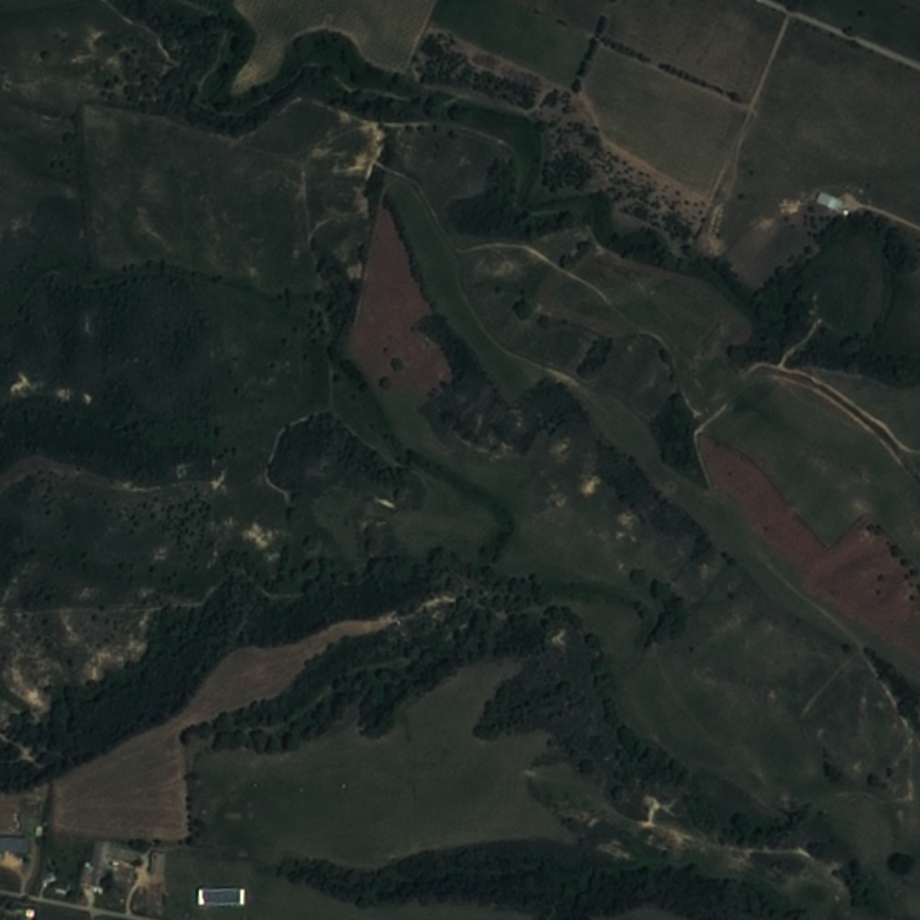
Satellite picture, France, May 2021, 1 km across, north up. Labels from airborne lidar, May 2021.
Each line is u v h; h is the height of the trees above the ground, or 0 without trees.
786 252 0
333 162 0
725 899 16
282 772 0
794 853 0
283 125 0
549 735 0
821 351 6
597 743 10
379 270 0
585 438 0
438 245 0
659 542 0
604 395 0
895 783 0
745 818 16
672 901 8
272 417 0
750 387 0
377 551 12
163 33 6
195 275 7
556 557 0
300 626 6
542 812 0
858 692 0
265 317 0
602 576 0
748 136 0
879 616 0
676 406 12
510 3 0
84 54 0
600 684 11
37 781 11
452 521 0
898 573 0
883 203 0
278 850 0
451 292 0
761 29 0
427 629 10
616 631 0
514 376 0
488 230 7
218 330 0
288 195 0
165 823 0
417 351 0
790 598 0
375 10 0
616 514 0
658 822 0
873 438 0
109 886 12
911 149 0
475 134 0
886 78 0
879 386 0
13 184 0
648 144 0
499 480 0
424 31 0
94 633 0
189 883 0
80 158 0
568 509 0
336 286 11
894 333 0
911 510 0
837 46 0
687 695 0
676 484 0
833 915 0
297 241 0
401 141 0
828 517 0
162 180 0
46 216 0
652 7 0
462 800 0
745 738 0
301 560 0
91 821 0
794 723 0
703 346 0
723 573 0
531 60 0
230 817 0
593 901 7
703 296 0
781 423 0
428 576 13
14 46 0
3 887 0
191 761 0
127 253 0
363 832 0
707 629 0
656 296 0
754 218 0
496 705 10
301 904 0
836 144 0
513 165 11
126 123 0
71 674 0
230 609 6
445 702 0
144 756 0
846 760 0
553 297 0
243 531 0
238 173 0
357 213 0
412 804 0
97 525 0
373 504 0
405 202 0
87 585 0
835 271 0
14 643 0
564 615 9
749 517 0
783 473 0
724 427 0
